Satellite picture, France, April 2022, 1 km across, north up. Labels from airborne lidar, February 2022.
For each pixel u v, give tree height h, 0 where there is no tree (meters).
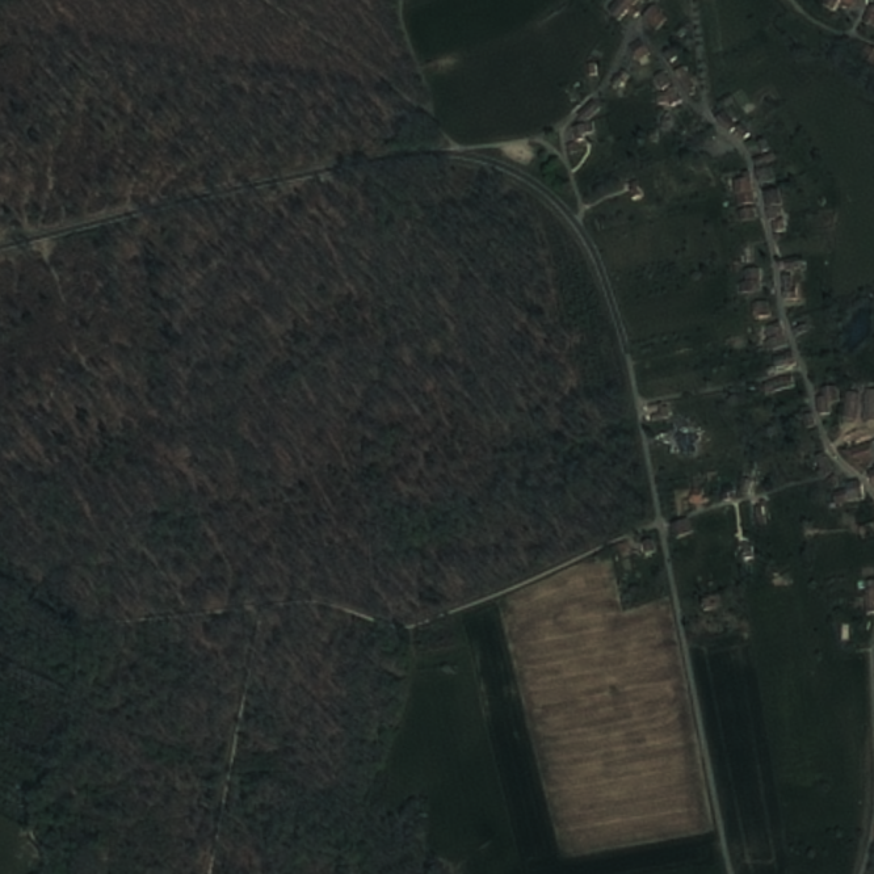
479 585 29
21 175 32
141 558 20
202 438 27
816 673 0
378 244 32
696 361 0
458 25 0
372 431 30
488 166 0
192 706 31
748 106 0
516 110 0
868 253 0
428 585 20
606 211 0
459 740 0
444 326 32
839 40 8
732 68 0
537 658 0
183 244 30
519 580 22
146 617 0
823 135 0
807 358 8
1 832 0
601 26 0
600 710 0
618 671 0
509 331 35
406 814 17
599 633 0
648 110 0
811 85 0
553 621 0
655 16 0
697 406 0
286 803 26
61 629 23
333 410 32
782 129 13
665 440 0
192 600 24
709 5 0
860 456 0
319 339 31
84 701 28
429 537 28
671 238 0
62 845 24
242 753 7
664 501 8
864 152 0
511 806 0
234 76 33
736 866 0
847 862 0
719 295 0
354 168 30
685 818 0
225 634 29
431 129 33
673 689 0
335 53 20
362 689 28
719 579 0
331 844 27
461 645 0
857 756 0
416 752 0
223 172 36
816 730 0
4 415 36
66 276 32
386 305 33
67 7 22
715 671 0
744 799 0
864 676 0
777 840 0
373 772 22
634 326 0
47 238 0
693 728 0
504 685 0
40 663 23
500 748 0
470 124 0
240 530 19
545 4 0
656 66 0
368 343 32
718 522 0
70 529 33
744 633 0
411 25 0
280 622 27
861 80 19
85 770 30
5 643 28
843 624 0
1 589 23
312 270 32
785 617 0
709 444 0
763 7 0
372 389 31
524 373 35
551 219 0
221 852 23
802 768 0
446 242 35
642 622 0
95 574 30
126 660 17
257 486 26
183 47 0
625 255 0
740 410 0
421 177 35
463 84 0
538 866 0
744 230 0
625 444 36
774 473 8
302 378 34
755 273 0
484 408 36
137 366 35
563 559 25
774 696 0
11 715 10
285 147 34
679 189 0
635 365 0
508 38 0
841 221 0
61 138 36
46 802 27
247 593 25
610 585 0
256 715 25
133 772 25
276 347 19
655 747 0
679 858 0
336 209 36
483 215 32
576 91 0
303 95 33
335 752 25
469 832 0
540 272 30
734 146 0
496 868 0
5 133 37
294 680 27
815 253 0
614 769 0
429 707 0
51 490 37
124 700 23
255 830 26
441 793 0
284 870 29
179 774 16
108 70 35
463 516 29
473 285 31
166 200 0
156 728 27
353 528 23
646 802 0
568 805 0
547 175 10
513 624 0
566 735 0
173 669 24
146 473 32
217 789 22
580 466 32
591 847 0
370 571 28
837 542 0
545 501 34
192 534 28
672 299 0
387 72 22
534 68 0
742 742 0
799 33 0
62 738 13
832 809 0
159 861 14
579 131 0
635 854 0
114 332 17
